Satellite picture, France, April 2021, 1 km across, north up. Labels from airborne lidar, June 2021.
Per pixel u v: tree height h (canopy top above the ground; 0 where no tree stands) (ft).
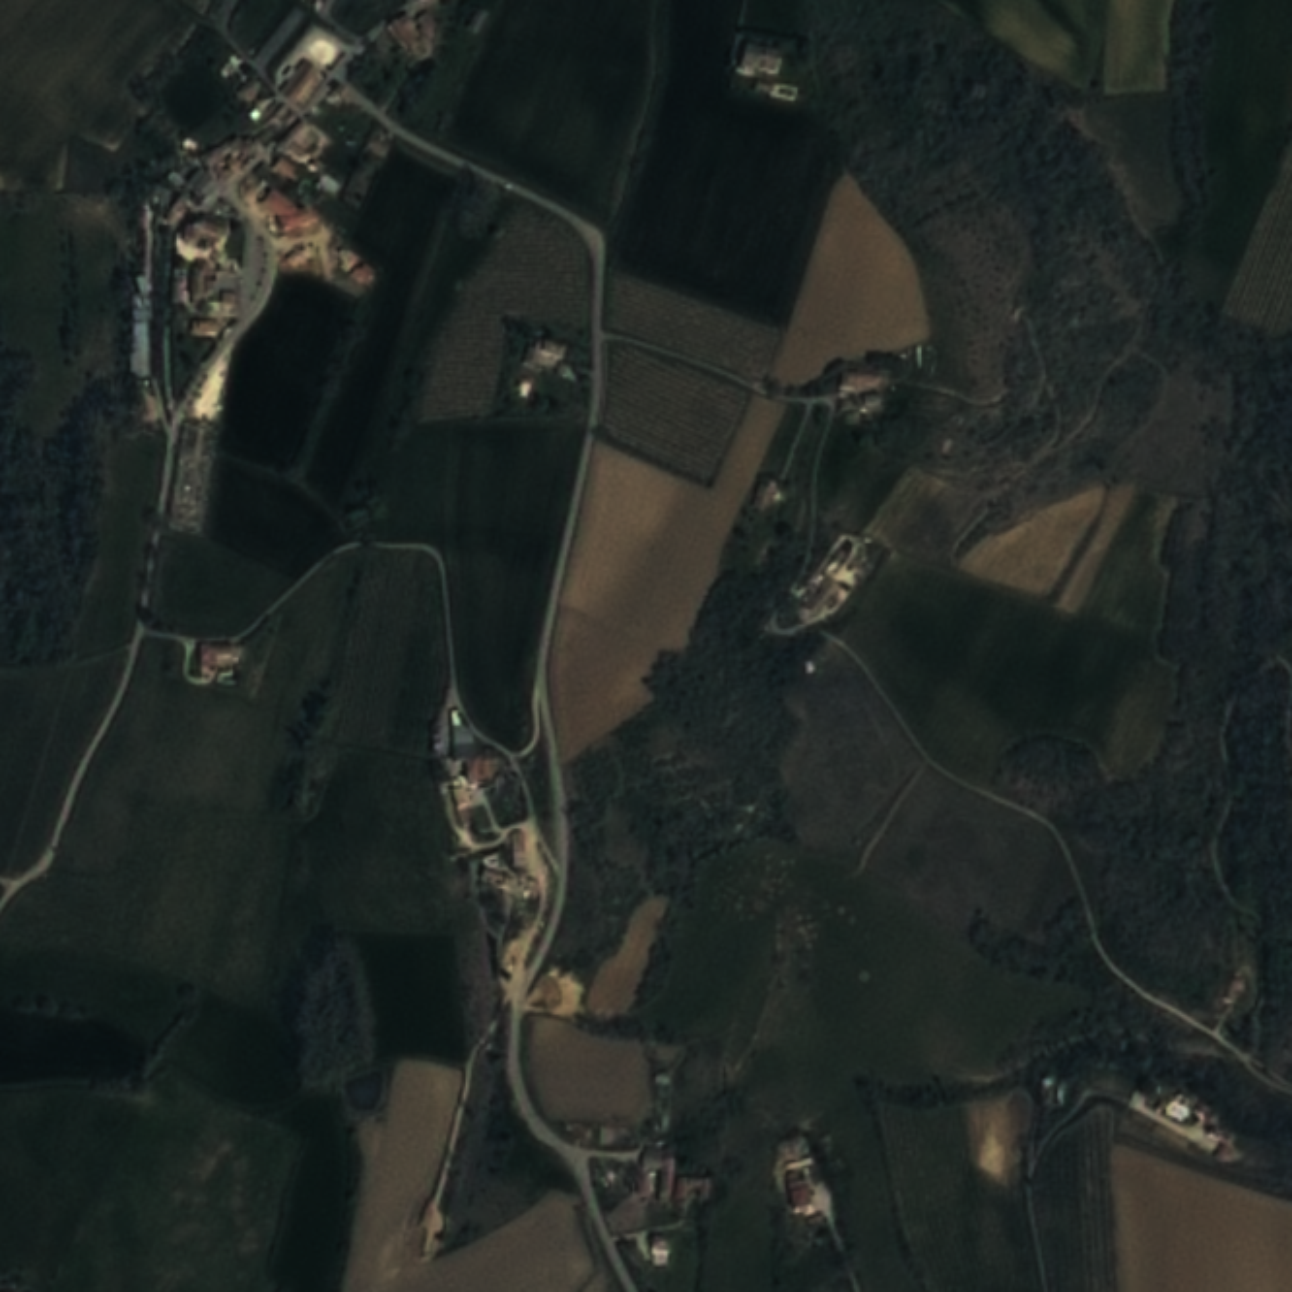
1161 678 0
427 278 0
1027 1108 0
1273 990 43
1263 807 47
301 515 0
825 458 0
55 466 30
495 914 47
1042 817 0
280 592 0
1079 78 0
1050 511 0
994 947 22
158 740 0
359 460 0
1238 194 0
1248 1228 0
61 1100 0
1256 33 0
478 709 0
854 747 0
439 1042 0
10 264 0
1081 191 35
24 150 0
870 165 30
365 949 0
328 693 32
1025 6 0
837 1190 49
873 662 0
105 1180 0
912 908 0
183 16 0
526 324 18
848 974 0
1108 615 0
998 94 36
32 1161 0
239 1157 0
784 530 42
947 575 0
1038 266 36
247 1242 0
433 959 0
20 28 0
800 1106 0
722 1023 0
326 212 0
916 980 0
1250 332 41
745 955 0
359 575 28
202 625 0
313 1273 0
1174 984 17
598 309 0
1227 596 53
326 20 0
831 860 0
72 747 0
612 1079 0
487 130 0
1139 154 0
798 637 27
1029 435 36
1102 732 0
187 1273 0
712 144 0
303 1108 0
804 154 0
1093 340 27
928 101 22
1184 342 20
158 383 35
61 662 30
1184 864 52
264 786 0
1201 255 0
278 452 0
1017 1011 0
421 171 0
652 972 23
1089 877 0
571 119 0
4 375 28
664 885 50
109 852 0
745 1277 0
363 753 0
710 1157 0
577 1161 0
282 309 0
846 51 26
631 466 0
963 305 20
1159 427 0
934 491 0
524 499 0
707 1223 53
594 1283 0
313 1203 0
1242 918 47
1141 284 36
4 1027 0
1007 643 0
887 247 0
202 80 0
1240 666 62
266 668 0
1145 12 0
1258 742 42
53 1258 0
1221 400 0
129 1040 0
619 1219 0
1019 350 24
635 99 0
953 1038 0
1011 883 0
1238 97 0
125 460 0
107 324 0
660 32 0
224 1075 0
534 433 0
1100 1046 63
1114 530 0
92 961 0
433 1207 0
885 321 0
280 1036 0
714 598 32
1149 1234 0
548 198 0
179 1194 0
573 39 0
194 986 24
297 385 0
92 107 0
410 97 52
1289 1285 0
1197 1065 33
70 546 45
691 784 43
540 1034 0
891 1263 0
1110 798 36
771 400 31
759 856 0
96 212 0
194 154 17
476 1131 0
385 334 0
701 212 0
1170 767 35
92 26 0
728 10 0
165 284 28
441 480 0
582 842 24
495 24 0
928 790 0
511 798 55
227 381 0
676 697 35
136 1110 0
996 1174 0
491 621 0
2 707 0
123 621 0
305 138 0
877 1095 47
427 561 0
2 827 0
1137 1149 0
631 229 0
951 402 0
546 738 0
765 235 0
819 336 0
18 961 0
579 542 0
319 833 0
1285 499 61
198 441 0
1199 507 0
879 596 0
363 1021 119
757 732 18
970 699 0
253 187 0
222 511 0
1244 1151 0
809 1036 0
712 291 0
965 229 20
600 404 0
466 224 105
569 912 25
